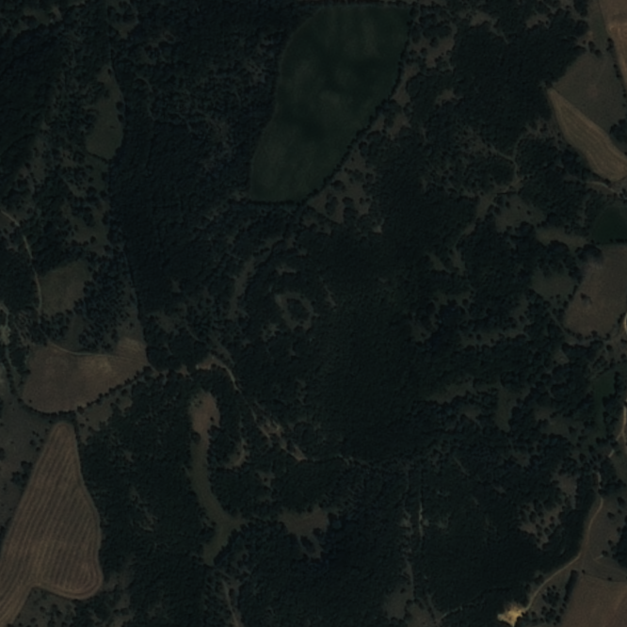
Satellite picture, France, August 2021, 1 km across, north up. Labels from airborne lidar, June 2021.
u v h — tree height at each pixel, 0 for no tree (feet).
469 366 45
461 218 37
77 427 20
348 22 0
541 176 23
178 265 49
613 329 0
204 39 50
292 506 50
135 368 0
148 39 62
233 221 29
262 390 40
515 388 50
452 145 47
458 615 29
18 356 28
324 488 38
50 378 0
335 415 38
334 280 29
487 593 38
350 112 0
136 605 30
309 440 34
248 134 34
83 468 27
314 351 34
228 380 37
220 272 23
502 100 36
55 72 47
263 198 0
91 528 0
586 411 50
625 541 43
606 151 0
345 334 38
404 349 65
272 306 35
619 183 0
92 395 0
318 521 0
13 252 19
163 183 48
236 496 43
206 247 31
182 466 47
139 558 30
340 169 28
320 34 0
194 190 31
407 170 38
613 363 21
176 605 28
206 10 81
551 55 45
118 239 29
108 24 38
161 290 45
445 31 40
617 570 0
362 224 28
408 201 51
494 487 32
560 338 38
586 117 0
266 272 34
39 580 0
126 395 30
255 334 37
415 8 34
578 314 0
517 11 40
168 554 26
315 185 0
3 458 25
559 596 31
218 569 43
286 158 0
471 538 35
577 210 21
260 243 28
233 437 34
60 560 0
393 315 52
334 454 38
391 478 36
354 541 60
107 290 47
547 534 17
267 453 27
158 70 46
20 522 0
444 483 29
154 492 32
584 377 33
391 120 39
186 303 19
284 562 44
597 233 0
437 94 38
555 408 30
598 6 0
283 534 52
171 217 36
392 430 48
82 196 0
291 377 35
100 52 33
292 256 39
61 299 0
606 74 0
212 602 43
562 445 47
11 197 40
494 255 34
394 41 0
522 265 55
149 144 46
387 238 40
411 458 38
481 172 32
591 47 24
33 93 57
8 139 69
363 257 47
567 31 36
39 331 49
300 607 26
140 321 25
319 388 31
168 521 33
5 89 92
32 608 0
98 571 0
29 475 21
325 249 36
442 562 38
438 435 41
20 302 27
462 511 31
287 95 0
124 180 39
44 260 37
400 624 24
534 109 37
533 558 44
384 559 34
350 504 34
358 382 44
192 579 33
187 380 22
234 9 64
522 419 31
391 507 33
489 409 35
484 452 61
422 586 24
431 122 39
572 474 23
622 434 0
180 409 26
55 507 0
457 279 40
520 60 46
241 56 35
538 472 46
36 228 27
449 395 0
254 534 43
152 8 30
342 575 63
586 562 0
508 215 0
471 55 43
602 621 0
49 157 38
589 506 34
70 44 25
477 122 39
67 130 54
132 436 30
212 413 0
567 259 41
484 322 37
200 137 44
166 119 51
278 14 70
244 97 38
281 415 37
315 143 0
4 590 0
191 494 46
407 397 51
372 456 45
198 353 40
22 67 83
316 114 0
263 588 28
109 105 0
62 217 53
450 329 47
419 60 32
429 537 26
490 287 46
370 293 33
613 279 0
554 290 0
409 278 42
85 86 27
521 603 31
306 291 27
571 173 35
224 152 50
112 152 0
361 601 31
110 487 35
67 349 0
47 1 53
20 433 0
